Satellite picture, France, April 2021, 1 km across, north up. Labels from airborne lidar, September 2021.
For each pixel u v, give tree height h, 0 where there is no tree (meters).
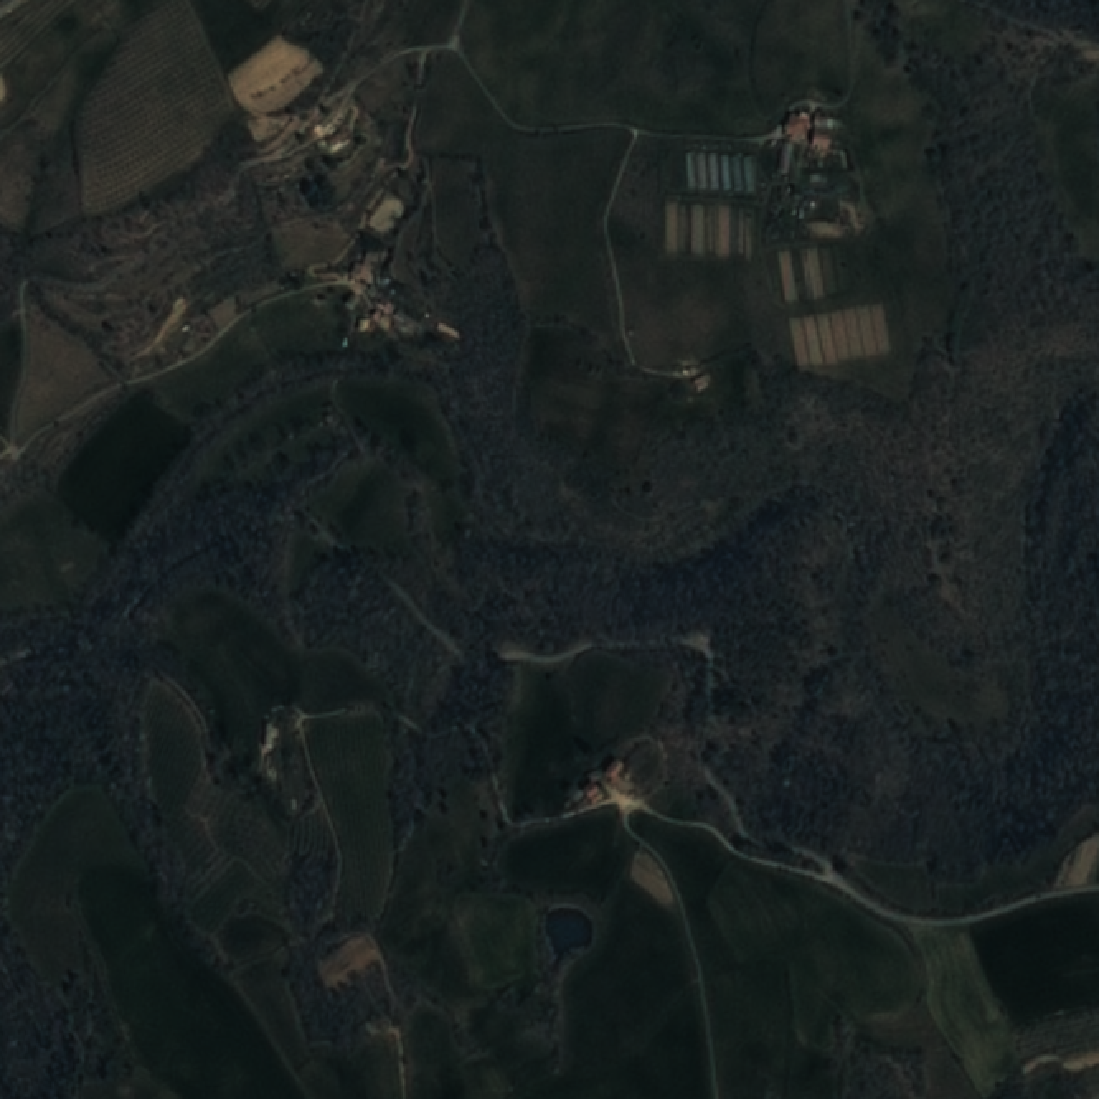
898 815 14
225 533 14
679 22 0
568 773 0
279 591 14
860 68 0
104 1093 0
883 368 0
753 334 0
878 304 0
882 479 7
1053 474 11
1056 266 11
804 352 0
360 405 0
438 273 10
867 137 0
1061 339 7
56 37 0
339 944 8
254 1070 0
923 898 0
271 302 0
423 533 14
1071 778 13
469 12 0
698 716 12
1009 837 8
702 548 19
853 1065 9
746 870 0
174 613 0
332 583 18
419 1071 0
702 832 0
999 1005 0
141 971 0
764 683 15
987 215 9
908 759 7
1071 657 12
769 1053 0
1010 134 7
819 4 0
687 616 15
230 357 0
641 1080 0
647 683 0
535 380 0
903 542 7
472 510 17
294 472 16
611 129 0
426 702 10
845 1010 0
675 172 0
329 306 0
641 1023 0
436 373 16
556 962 7
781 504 9
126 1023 0
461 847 0
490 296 9
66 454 9
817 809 19
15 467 13
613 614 22
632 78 0
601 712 0
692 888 0
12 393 0
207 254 10
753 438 7
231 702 0
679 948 0
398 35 0
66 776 17
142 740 14
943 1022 0
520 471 9
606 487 9
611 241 0
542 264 0
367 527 0
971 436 10
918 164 0
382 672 15
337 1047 13
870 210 0
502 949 0
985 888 0
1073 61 7
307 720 0
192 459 23
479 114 0
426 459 26
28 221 0
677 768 10
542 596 16
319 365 20
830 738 19
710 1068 0
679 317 0
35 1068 11
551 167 0
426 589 9
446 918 0
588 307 0
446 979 0
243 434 0
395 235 9
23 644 10
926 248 0
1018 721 18
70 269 0
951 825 14
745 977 0
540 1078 0
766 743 15
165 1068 0
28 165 0
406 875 0
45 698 15
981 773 28
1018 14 10
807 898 0
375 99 0
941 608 7
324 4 0
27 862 0
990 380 6
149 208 15
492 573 9
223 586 10
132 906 0
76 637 16
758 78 0
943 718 0
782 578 18
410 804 18
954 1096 0
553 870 0
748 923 0
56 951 0
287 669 0
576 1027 0
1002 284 11
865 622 16
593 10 0
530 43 0
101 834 0
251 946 0
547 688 0
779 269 0
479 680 12
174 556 12
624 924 0
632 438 0
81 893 0
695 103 0
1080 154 0
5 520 0
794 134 0
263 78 0
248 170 11
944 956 0
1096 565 12
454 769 12
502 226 0
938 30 0
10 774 21
